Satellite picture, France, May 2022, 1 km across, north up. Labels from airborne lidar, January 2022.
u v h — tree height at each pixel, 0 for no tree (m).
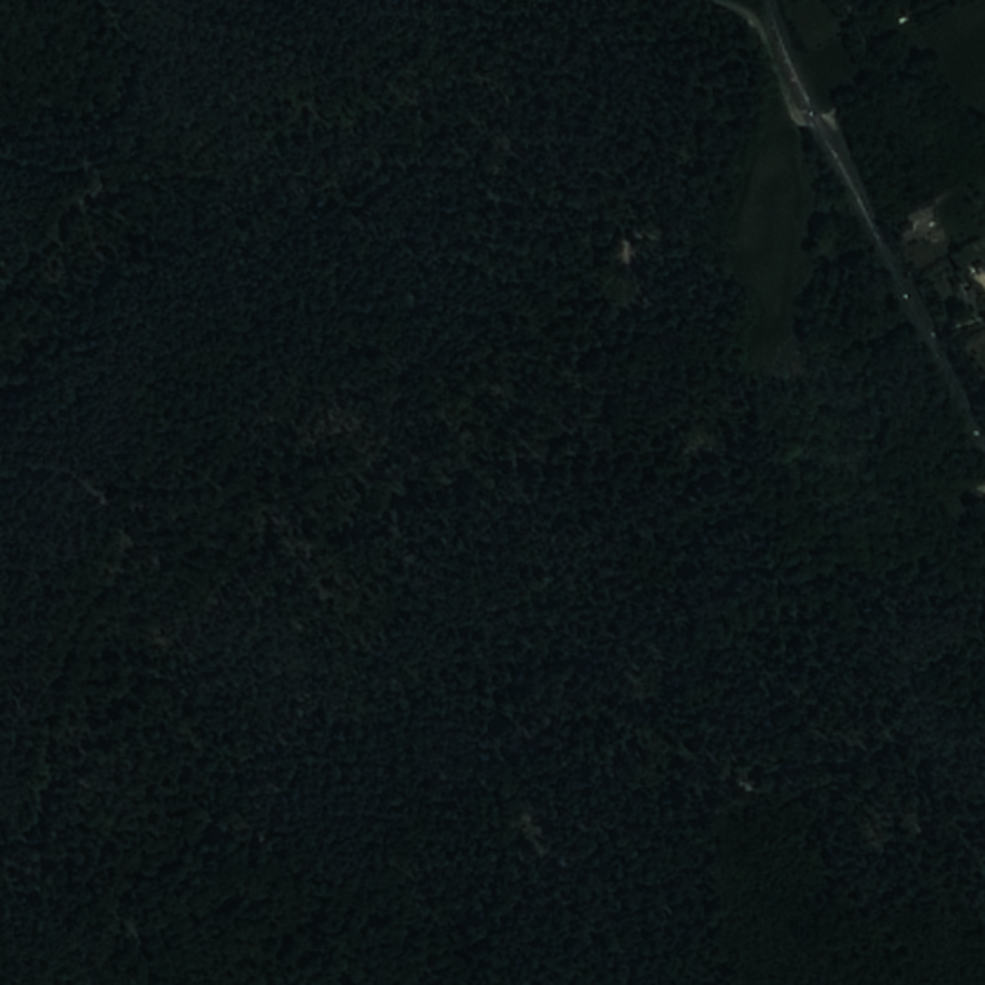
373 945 29
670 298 30
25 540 11
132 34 25
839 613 31
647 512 20
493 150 26
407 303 25
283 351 27
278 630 25
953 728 23
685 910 33
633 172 31
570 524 30
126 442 27
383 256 28
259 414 27
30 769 25
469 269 30
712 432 6
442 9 24
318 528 32
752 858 17
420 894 26
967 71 0
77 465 25
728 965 14
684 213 26
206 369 30
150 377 27
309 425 25
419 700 24
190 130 19
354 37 26
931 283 9
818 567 22
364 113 24
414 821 28
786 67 0
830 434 16
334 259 23
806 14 0
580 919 32
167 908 26
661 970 30
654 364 23
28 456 27
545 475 26
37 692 24
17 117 28
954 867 8
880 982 17
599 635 20
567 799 28
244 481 18
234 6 26
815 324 20
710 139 26
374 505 30
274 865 32
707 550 31
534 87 30
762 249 0
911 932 17
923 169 24
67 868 26
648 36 17
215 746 31
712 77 29
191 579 28
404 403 28
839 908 15
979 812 31
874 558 25
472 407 11
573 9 29
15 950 22
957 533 18
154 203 29
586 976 26
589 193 27
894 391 18
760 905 17
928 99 23
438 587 28
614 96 30
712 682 28
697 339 25
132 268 32
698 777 26
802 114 0
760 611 18
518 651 30
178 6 23
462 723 33
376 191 30
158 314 23
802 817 8
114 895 12
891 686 24
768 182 0
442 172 31
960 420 20
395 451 28
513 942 33
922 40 0
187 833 20
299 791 30
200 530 23
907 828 26
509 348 9
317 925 31
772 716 34
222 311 41
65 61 27
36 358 32
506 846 30
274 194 31
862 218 0
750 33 23
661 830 29
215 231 33
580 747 27
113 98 24
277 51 27
